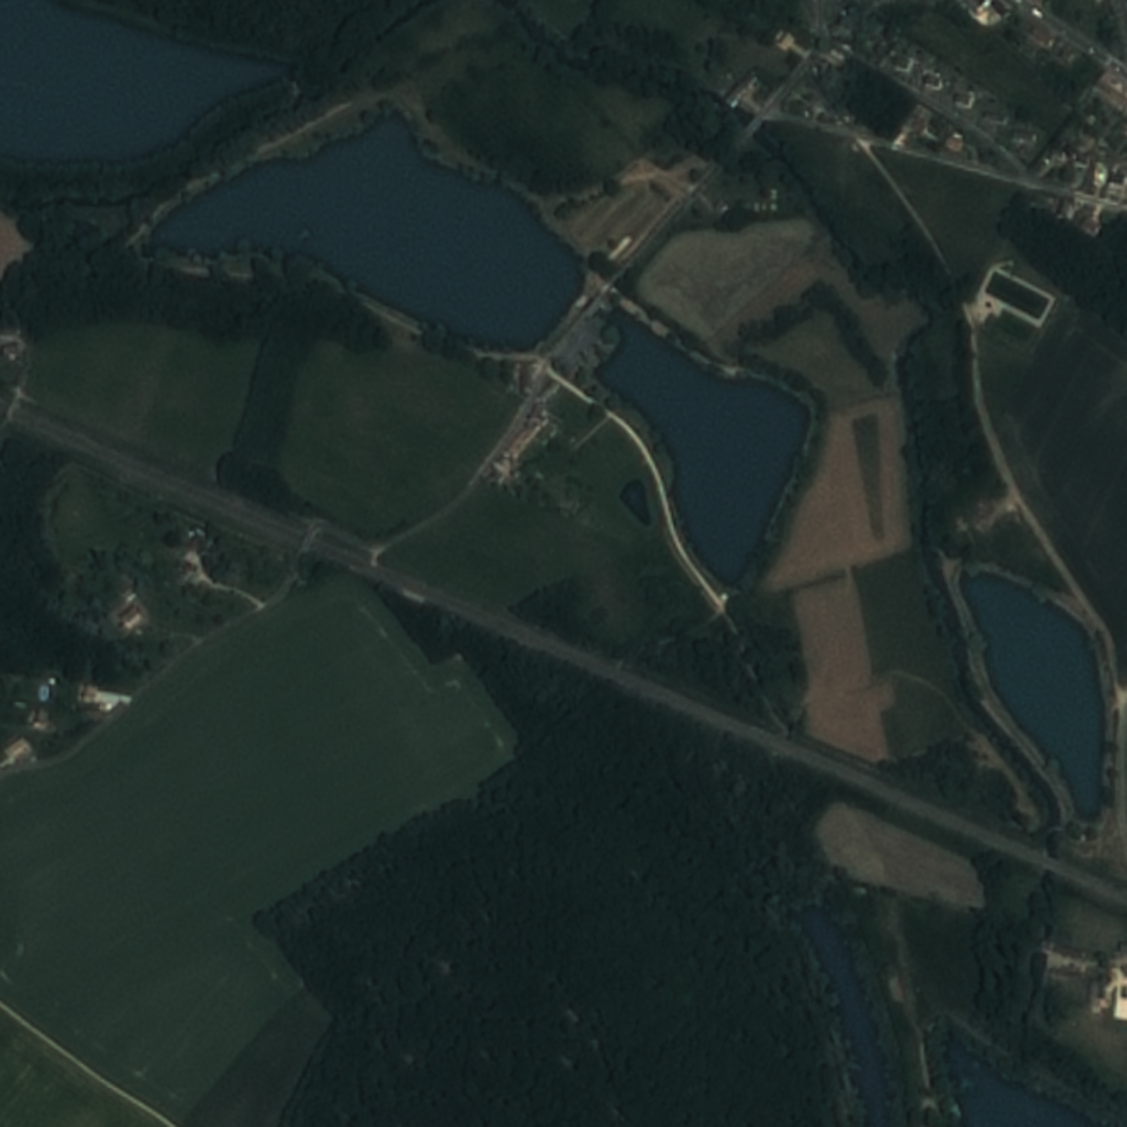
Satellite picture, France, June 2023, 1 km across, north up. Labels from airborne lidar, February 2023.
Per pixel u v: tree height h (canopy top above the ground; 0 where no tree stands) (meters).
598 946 20
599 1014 26
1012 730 0
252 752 0
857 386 0
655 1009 23
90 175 17
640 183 0
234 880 0
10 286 17
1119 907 0
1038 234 15
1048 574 0
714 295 0
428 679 0
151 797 0
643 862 24
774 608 0
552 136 0
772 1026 28
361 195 0
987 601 0
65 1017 0
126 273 24
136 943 0
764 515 0
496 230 0
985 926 24
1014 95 0
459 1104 27
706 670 17
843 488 0
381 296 0
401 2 20
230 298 9
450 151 0
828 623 0
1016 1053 29
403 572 0
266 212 0
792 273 0
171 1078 0
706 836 23
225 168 13
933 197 0
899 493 0
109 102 0
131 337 0
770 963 26
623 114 0
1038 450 0
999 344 0
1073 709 0
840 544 0
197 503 0
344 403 0
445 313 0
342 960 16
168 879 0
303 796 0
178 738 0
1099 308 16
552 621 14
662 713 18
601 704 22
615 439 0
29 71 0
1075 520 0
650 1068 21
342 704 0
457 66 0
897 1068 12
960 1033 7
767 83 7
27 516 20
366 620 0
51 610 19
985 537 0
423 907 22
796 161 15
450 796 0
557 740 23
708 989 18
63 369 0
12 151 0
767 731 0
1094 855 0
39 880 0
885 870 0
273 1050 0
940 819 0
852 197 0
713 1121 23
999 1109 0
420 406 0
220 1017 0
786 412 0
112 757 0
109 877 0
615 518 0
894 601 0
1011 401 0
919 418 16
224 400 0
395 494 0
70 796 0
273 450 12
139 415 0
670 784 26
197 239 0
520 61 0
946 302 18
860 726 0
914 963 0
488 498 0
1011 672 0
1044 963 0
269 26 16
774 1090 23
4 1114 0
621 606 0
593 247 0
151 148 0
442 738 0
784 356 0
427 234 0
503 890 24
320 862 0
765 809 17
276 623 0
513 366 9
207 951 0
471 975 27
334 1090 24
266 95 17
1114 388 0
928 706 0
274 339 12
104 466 0
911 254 11
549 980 23
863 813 0
